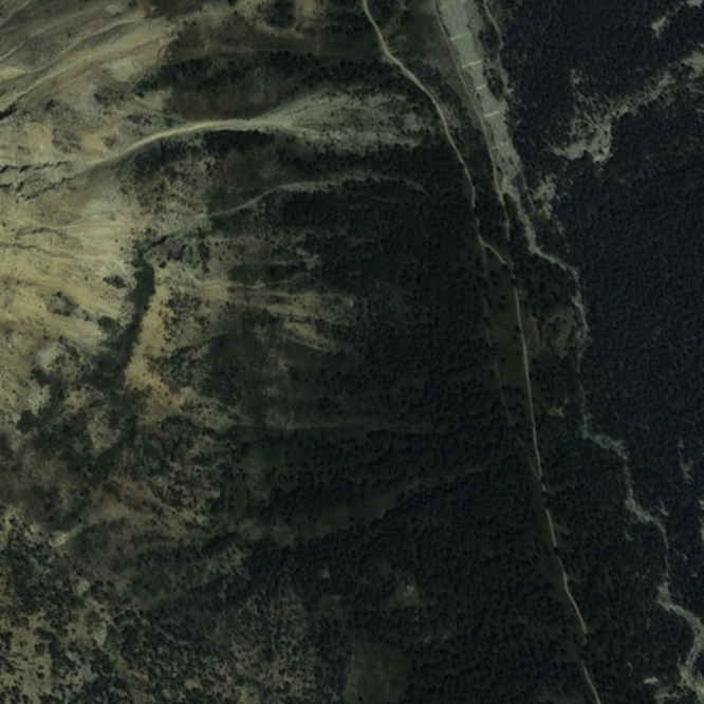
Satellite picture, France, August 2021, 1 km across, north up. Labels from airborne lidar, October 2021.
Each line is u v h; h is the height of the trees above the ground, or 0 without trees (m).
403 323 8
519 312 0
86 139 0
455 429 15
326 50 0
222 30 0
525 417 14
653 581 7
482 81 0
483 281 13
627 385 9
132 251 0
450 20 0
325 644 11
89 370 0
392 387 15
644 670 9
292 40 0
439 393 11
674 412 8
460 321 13
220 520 0
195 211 0
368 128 0
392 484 15
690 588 13
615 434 6
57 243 0
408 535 13
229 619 0
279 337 0
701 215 12
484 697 13
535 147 6
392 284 9
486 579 15
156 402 0
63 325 0
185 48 0
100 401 0
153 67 0
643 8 13
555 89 12
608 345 11
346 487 15
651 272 11
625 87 8
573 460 10
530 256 9
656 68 8
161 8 0
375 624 15
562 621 10
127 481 0
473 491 16
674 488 7
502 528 19
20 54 0
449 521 12
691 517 12
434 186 10
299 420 0
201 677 6
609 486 7
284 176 0
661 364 10
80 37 0
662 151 11
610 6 13
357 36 8
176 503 6
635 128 10
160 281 0
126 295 0
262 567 10
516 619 20
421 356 14
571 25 12
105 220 0
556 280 8
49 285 0
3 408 0
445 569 7
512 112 7
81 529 0
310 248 13
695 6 7
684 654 13
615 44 10
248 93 0
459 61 0
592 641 15
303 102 0
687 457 9
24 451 0
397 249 14
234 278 0
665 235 13
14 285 0
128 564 0
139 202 0
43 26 0
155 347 0
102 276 0
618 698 22
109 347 0
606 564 18
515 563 18
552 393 11
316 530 0
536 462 0
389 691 0
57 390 0
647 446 6
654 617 9
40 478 0
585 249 10
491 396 9
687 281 10
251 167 0
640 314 10
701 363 11
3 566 0
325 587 12
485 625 16
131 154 0
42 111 0
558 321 7
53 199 0
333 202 12
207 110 0
